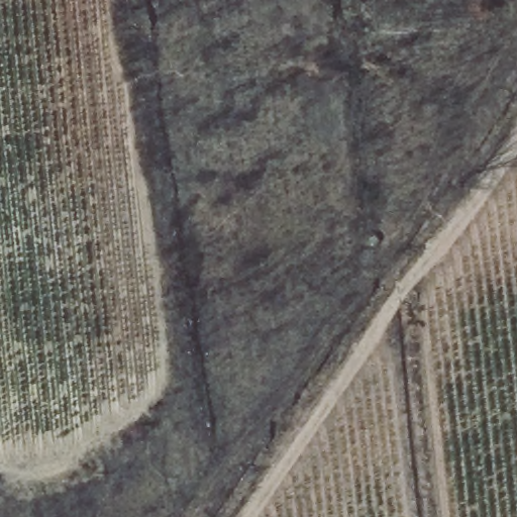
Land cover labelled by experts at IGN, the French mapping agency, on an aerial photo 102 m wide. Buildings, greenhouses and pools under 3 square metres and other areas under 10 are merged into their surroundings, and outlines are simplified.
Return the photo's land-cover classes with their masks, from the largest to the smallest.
<instances>
[{"label":"bare soil","instance_id":"1","mask_svg":"<svg viewBox=\"0 0 517 517\"><path fill-rule=\"evenodd\" d=\"M113 34L119 48L123 77L129 83L131 115L135 125V149L139 153L141 174L147 184L156 248L162 265V305L166 311L168 349V386L162 392L160 400H156L139 420H135L121 432L113 434L109 446L87 450L83 462L75 471L57 475L48 481L8 483L0 475V517H238L244 505L254 495L265 473L281 458V452L293 442L297 428L307 424L323 392L329 388L331 380H335L337 372L347 361L353 343L361 339L378 311L382 309V305L394 293L396 283H400L406 277L412 265L418 261V256L424 252L426 244L448 224L452 212L475 190L479 186L481 176L487 174L491 162L499 156L517 125V0H111Z\"/></svg>","mask_w":517,"mask_h":517},{"label":"vineyard","instance_id":"2","mask_svg":"<svg viewBox=\"0 0 517 517\"><path fill-rule=\"evenodd\" d=\"M158 345H164L168 349L166 311L162 305V265L156 248L147 184L141 174L139 153L135 149V125L131 115L129 83L123 77L119 48L113 34L111 0H0V442L10 440L16 434H40L55 428H59L61 436H69L71 432H75L99 414L101 404L109 400L111 392H119L127 400L139 398L147 384V374L158 370ZM475 190L489 192L491 196H487L483 208L467 224L462 234L450 244L448 252L436 265H432V269L412 287L410 295L398 305L382 341L366 357L364 366L351 378L341 398L335 400V406L331 408L329 416L315 430L313 438L305 446V452L299 454L289 475L275 491L273 501L267 503L263 515L259 517H517V156L513 160H501L499 156L491 162L487 174L481 176L479 186Z\"/></svg>","mask_w":517,"mask_h":517},{"label":"pervious surface","instance_id":"3","mask_svg":"<svg viewBox=\"0 0 517 517\"><path fill-rule=\"evenodd\" d=\"M517 156V125L499 156L501 160H513ZM487 196H491L489 192L475 190L452 212L448 224L426 244L424 252L418 256V261L412 265L406 277L400 283H396L394 293L382 305V309L378 311L361 339L353 343L347 361L337 372L335 380H331L329 388L323 392L307 424L297 428L293 442L281 452V458L265 473L254 495L244 505L238 517H259L263 515L267 503L273 501L275 491L289 475L299 454L305 452V446L313 438L315 430L329 416L331 408L335 406V400L341 398L351 378L364 366L366 357L382 341L398 305L410 295L412 287L432 269V265H436L448 252L450 244L462 234L467 224L483 208ZM168 386V349L164 345H158V370L147 374V384L139 398L127 400L119 392H111L109 400L101 404L99 414L75 432H71L69 436H61L59 428H55L40 434H16L10 440L0 442V475L8 483L48 481L57 475L75 471L83 462L87 450L109 446L113 434L121 432L135 420H139L156 400H160L162 392Z\"/></svg>","mask_w":517,"mask_h":517}]
</instances>
